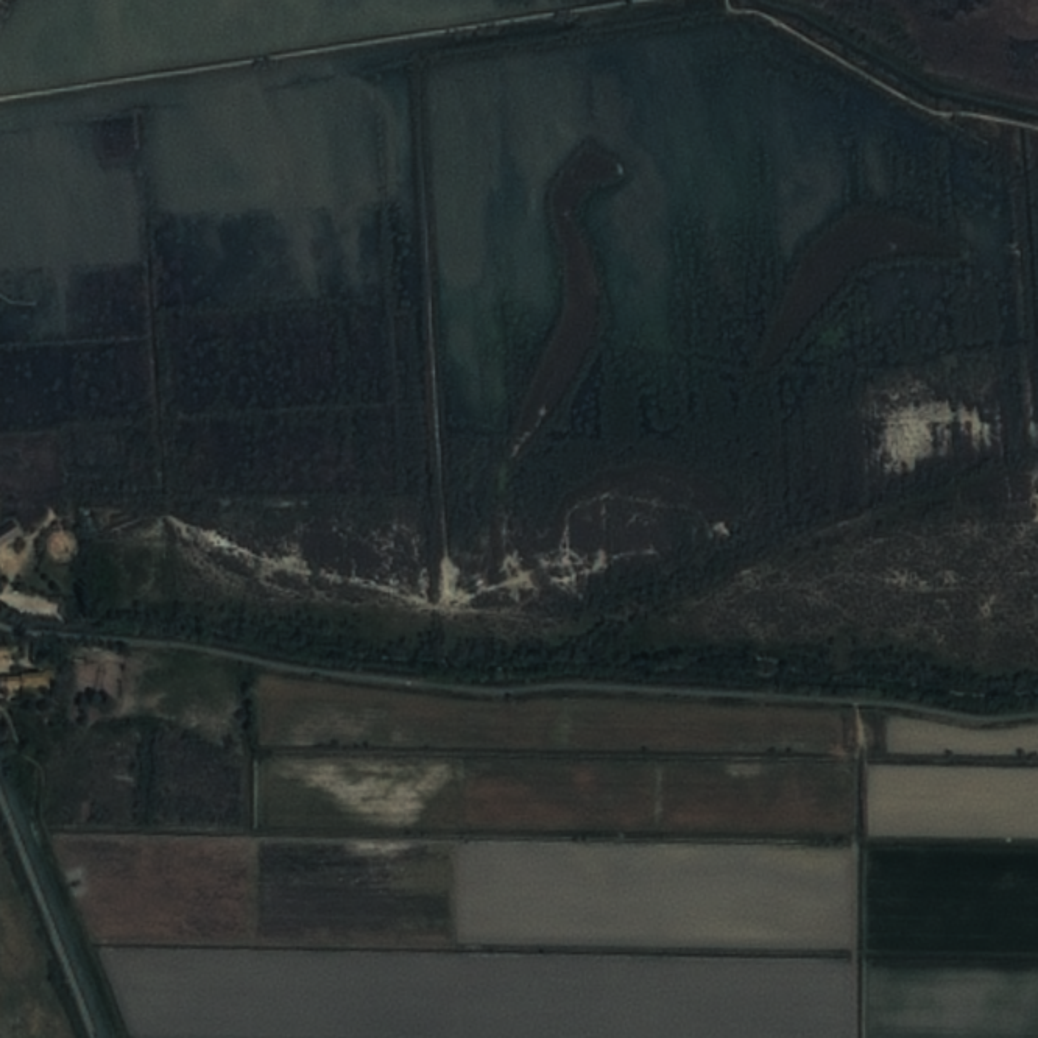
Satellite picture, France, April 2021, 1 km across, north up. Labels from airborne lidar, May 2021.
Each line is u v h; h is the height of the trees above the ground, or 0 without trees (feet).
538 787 0
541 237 0
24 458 0
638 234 0
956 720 0
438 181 0
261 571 0
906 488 23
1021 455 22
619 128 0
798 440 20
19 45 0
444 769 0
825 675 20
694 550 20
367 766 0
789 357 22
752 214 0
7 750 35
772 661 35
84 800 0
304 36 0
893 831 0
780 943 0
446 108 0
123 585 0
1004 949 0
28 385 0
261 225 0
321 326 0
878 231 0
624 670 25
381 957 0
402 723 0
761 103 0
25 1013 0
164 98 0
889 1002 0
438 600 0
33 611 0
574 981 0
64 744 0
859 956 0
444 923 0
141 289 0
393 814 0
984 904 0
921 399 0
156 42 0
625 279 0
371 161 0
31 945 0
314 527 0
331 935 0
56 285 0
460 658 24
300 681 0
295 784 0
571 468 18
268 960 0
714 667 29
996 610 0
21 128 0
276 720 0
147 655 0
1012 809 0
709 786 0
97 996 0
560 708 0
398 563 0
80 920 0
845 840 24
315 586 0
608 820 0
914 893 0
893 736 0
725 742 0
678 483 0
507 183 0
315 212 0
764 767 0
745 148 0
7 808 0
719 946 0
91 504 19
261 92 0
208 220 0
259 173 0
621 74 0
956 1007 0
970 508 0
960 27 0
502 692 0
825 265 0
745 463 23
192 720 0
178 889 0
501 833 0
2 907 0
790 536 22
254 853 0
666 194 0
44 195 0
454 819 0
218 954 0
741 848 0
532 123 0
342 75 0
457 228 0
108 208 0
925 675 28
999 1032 0
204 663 0
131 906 0
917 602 0
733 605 0
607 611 21
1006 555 0
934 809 0
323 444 0
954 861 0
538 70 0
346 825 0
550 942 0
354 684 0
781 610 0
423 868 0
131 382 0
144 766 19
